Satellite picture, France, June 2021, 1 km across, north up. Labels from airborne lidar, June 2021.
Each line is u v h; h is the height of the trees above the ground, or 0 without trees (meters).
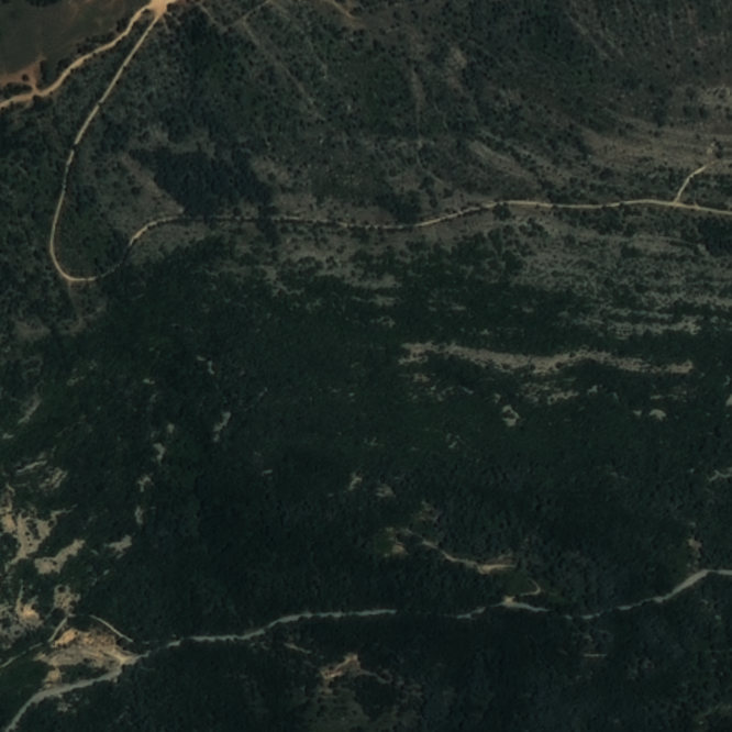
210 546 9
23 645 8
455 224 0
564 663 12
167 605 10
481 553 14
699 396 9
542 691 19
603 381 8
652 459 6
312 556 10
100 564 9
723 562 17
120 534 16
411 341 8
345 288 6
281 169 0
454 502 8
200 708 10
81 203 7
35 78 0
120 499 12
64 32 0
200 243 6
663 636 17
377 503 6
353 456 10
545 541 11
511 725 15
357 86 13
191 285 7
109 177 0
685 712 12
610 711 14
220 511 15
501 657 12
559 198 7
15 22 0
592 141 0
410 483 18
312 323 6
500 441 6
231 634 8
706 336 8
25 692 7
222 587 8
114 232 7
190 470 8
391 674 8
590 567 15
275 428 11
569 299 7
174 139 8
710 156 0
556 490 11
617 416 6
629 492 7
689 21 0
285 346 8
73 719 8
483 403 7
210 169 7
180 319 9
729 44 0
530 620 16
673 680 14
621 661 13
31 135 7
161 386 8
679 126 0
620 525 8
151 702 8
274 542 17
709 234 6
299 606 11
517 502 12
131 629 6
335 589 10
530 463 12
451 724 8
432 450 6
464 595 9
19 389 6
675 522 8
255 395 8
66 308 5
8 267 6
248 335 10
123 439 6
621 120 0
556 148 8
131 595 7
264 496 9
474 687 18
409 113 12
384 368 9
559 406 6
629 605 20
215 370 10
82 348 8
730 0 0
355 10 6
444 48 6
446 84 0
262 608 12
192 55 9
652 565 9
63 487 7
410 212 6
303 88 0
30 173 7
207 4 5
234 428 8
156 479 10
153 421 9
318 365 9
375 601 7
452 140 0
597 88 0
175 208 0
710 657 8
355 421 11
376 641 16
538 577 9
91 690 7
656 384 7
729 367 7
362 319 6
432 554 18
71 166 7
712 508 7
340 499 8
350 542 12
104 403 9
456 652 13
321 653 12
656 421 7
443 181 0
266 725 8
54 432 8
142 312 9
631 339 7
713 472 8
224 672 9
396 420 7
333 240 0
